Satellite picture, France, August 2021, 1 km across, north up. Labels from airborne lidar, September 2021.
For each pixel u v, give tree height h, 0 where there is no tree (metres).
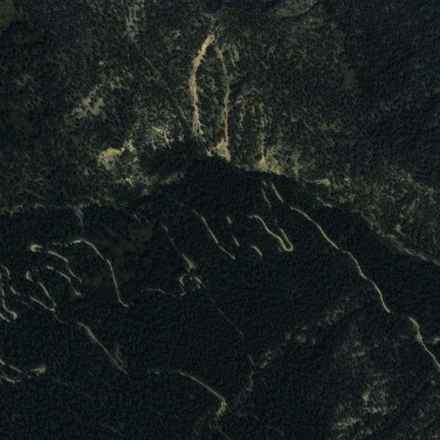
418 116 15
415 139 10
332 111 13
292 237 7
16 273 23
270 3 9
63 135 19
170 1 14
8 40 18
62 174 17
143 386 15
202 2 12
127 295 13
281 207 11
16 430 8
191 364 16
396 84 16
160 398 11
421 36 10
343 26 8
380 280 20
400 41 11
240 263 18
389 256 20
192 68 10
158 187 6
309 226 21
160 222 13
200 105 9
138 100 10
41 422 15
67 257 12
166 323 21
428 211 8
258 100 12
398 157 17
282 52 19
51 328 26
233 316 16
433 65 11
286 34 13
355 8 12
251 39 15
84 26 13
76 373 13
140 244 0
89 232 16
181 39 13
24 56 6
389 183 10
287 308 17
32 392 14
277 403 21
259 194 20
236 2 13
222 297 10
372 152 17
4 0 6
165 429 23
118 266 6
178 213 22
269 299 17
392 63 15
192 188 12
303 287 17
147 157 12
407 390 12
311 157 10
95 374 19
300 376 25
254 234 8
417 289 21
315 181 11
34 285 10
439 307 11
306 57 7
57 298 7
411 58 14
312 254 12
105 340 18
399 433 14
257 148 12
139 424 10
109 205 6
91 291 9
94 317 18
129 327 23
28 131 0
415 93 10
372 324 11
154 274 23
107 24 17
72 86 12
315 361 31
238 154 15
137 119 7
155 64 11
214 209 10
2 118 19
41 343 16
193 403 20
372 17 10
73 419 13
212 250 18
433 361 9
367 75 13
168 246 22
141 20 9
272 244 11
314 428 17
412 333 16
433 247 14
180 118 15
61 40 15
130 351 16
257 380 23
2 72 16
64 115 10
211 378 15
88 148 16
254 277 18
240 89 10
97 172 13
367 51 12
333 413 12
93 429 12
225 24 10
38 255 10
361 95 7
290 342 23
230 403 16
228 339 15
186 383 14
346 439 11
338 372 9
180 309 16
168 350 9
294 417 17
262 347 13
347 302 18
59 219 16
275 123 11
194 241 21
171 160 26
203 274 18
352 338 7
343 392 14
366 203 8
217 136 11
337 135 9
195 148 12
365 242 18
